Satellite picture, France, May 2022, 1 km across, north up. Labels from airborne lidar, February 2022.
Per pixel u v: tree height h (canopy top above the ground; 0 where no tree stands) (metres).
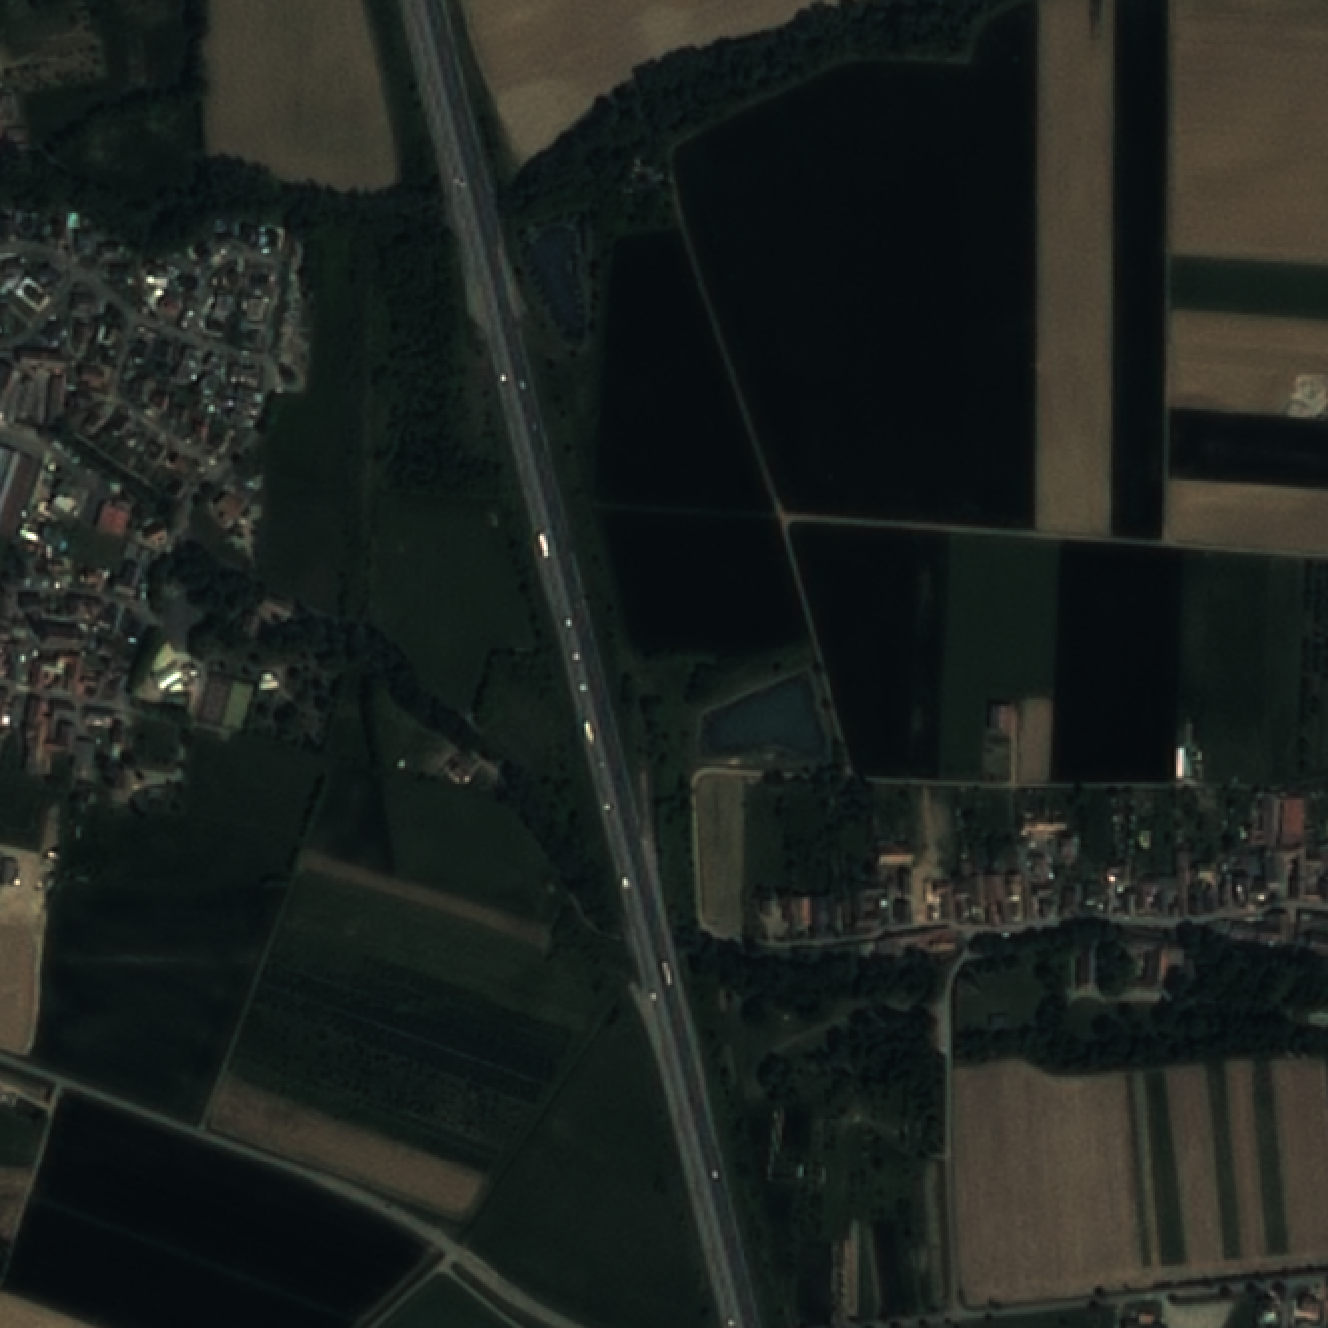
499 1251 0
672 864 0
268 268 0
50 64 0
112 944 0
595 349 0
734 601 0
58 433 11
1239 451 0
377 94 0
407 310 10
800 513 0
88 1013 0
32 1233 0
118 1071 0
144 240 17
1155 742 0
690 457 0
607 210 14
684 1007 0
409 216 18
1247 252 0
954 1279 0
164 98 11
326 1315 0
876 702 0
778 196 0
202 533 0
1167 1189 0
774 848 0
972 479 0
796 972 15
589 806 0
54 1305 0
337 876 0
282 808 0
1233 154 0
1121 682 0
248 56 0
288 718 14
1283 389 0
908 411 0
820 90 0
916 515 0
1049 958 11
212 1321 0
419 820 0
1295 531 0
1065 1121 0
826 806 8
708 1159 0
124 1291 0
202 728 0
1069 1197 0
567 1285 0
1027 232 0
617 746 0
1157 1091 0
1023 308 0
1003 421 0
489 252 0
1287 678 0
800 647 0
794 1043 0
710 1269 0
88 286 0
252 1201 0
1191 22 0
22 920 0
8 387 0
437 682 0
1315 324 0
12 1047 0
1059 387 0
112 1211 0
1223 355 0
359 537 0
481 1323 0
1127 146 0
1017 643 0
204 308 0
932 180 0
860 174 0
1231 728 0
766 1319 0
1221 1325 0
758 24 0
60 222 0
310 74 0
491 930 0
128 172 0
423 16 0
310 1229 0
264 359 0
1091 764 0
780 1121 0
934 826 0
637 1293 0
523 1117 0
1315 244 0
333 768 0
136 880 0
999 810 0
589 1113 0
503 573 0
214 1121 0
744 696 0
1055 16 0
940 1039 0
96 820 0
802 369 0
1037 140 0
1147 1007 0
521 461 0
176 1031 0
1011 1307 0
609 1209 0
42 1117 10
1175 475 0
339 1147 0
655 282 0
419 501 0
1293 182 0
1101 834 0
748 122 0
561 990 0
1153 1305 0
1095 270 0
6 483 0
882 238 0
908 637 0
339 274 0
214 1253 0
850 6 15
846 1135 0
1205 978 16
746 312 0
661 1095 0
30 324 0
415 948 0
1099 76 0
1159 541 0
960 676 0
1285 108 0
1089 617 0
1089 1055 13
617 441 0
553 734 0
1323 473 0
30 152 8
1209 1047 13
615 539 0
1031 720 0
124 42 0
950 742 0
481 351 0
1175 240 0
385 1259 0
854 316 0
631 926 0
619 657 0
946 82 0
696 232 0
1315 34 0
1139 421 0
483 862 0
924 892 0
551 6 0
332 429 0
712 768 0
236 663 0
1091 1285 0
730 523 0
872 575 0
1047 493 0
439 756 0
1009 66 0
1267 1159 0
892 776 0
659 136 13
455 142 0
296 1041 0
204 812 0
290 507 0
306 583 0
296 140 0
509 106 0
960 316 0
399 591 0
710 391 0
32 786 0
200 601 22
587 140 14
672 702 0
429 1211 0
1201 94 0
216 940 0
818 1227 6
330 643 21
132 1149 0
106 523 0
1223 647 0
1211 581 0
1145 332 0
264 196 18
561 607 0
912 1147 0
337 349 0
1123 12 0
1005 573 0
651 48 0
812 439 0
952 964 0
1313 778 0
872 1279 0
